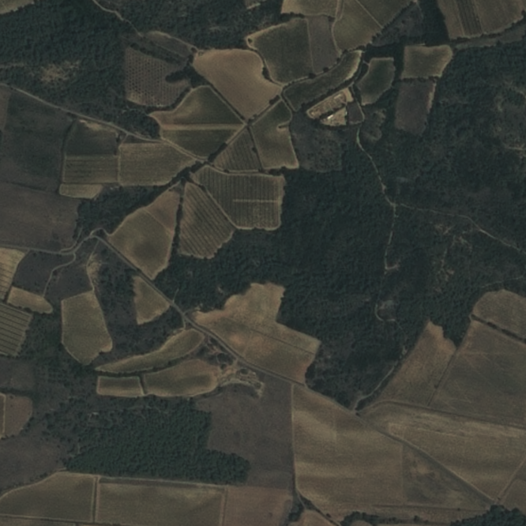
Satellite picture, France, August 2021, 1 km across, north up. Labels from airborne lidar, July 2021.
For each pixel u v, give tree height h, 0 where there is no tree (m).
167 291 7
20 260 0
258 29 6
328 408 0
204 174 0
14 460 0
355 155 9
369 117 0
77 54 9
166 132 0
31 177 0
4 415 0
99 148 0
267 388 0
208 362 0
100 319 0
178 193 0
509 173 8
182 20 10
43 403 0
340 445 0
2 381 0
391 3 0
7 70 8
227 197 0
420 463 0
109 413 8
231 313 0
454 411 0
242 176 0
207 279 7
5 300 6
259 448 0
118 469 13
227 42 8
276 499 0
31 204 0
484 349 0
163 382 0
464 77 11
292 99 0
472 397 0
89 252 0
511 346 0
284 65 0
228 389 0
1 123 0
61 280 0
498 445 0
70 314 0
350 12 0
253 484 0
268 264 12
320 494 0
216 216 0
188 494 0
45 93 10
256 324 0
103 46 12
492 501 0
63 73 0
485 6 0
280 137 0
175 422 7
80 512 0
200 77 6
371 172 9
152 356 0
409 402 0
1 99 0
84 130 0
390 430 0
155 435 12
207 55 0
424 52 0
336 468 0
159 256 0
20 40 16
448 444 0
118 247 0
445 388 0
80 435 10
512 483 0
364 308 6
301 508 6
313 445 0
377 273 6
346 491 0
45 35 13
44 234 0
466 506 0
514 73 6
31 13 10
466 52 11
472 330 0
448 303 11
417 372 0
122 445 11
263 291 0
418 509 0
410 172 8
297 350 0
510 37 0
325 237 12
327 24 0
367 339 9
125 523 0
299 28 0
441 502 0
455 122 7
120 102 11
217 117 0
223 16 9
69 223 0
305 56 0
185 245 0
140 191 7
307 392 0
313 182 6
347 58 0
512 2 0
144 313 0
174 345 0
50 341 7
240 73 0
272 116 0
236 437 0
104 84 8
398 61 11
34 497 0
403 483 0
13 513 0
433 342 0
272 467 0
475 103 6
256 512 0
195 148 0
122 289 11
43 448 0
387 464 0
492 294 0
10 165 0
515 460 0
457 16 0
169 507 0
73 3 12
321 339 9
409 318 11
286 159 0
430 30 7
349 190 9
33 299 0
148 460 12
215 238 0
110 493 0
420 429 0
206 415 11
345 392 5
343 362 10
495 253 9
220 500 0
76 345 0
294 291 14
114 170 0
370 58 8
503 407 0
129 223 0
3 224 0
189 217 0
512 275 7
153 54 10
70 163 0
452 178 11
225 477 11
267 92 0
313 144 0
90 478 0
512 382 0
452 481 0
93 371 9
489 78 6
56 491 0
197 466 9
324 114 7
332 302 7
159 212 0
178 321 7
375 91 0
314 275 6
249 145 0
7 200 0
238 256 10
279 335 0
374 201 11
